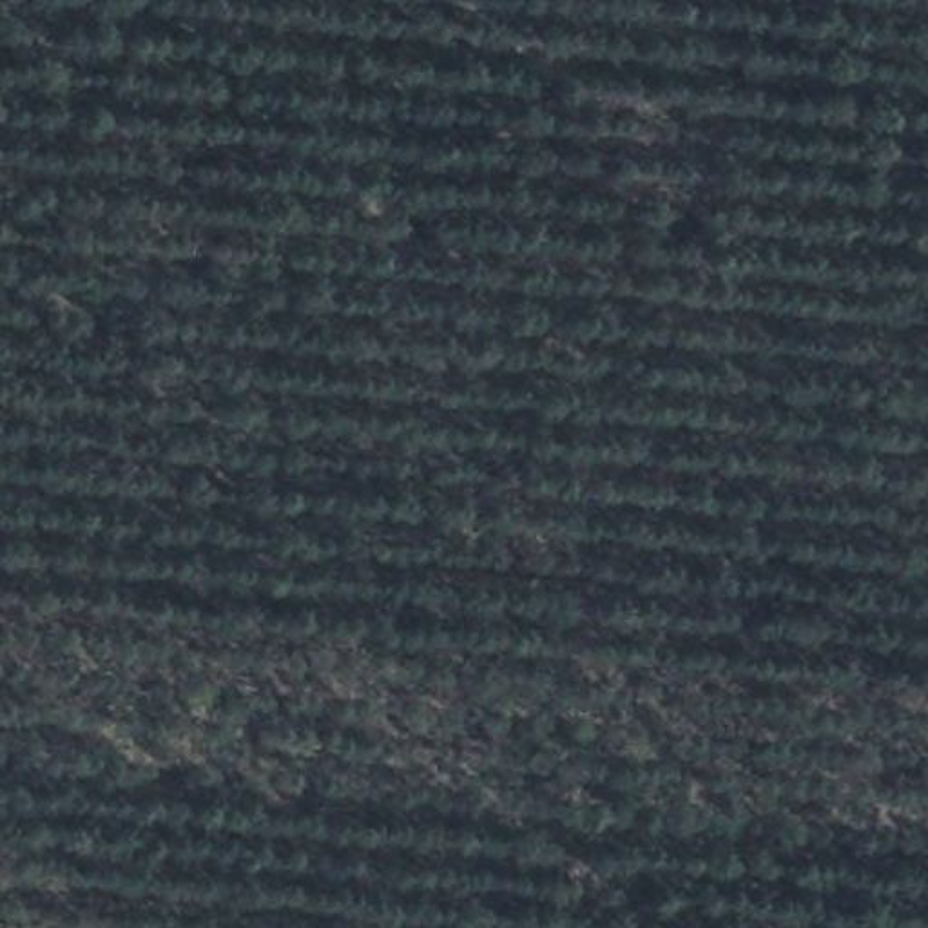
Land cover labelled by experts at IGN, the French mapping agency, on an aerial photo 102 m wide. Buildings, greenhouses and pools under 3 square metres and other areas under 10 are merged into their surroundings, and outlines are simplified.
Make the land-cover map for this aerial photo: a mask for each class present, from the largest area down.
<instances>
[{"label":"brushwood","instance_id":"1","mask_svg":"<svg viewBox=\"0 0 928 928\"><path fill-rule=\"evenodd\" d=\"M69 33H98V11H51L44 7V0H0V65L11 69L58 62L65 73L116 76L105 58L76 54L65 44ZM261 7L297 4L326 7L334 15L381 18L439 15L453 25V44H435L424 36H355L225 18H170L160 15L163 0H145L141 11L120 22V36L138 33L170 40H214L239 51L283 47L334 54L341 58V91L348 98H399L421 105L431 102L453 109L526 116L522 98L508 91L363 80L359 62L377 58L439 69L482 65L537 76L540 109L551 120H631L638 123V138L551 134L555 156H595L598 174L584 178L547 170L533 181L529 196L551 192L573 199H613L624 203V218L518 214L486 207L417 210V189H515L511 167L431 170L392 156L348 160L308 152L297 170H308L315 178L348 174L352 181H395L402 189L384 207L370 192L366 199H359L290 189L294 203L305 214L330 210L352 214L359 221L366 214H384L388 221H402L410 228L402 239L301 232L279 239V268H239L214 265L218 250L261 247V232L232 225H196L178 218L167 225V236L196 239V257L145 261L127 254L65 250V228L112 236L120 218L65 210L22 218L25 199L40 192H98L196 199L203 207L279 210L276 192L203 185L199 170H283L290 149L181 141L170 152V160L181 167L178 181L141 174H40L25 167H0V265L18 261V268L33 272L138 279L145 286L138 301H98L91 294L44 297L11 286L0 290V341L47 344L54 352V312L91 315V334L80 337L69 355H141L145 319L185 326H247L250 308L239 305L189 308L167 301L170 283H203L225 286L232 294H283V308L268 312L272 330L341 337L370 334L384 341L428 344L453 341L475 352H551L573 359H609V370L602 377H566L547 370L500 366L464 370L457 363L442 370H424L402 359H334L210 341H170V355L185 363H225L352 381L388 377L421 388H439L442 395H450L453 388L540 392L551 399L602 395L616 402L634 399L645 406H700L736 417H787L801 424L823 421L841 428L866 424L874 431L928 435V417L885 413L877 406L852 402H790L783 395L656 388L649 384L653 366L718 370L721 348H645L620 341H584L576 337L573 323L587 315H616L642 326L671 323L685 330H736L830 344H892L906 352L903 366L819 363L801 355H736V370L743 377L856 381L888 384L895 392H928V326L776 315L747 308H692L674 301L613 294L551 297L540 290H522V276H624L645 286L674 279L718 290L721 257L714 239V214L736 218L740 210H754L761 218L787 214L801 221L834 218L903 225L917 232L928 228V207L841 203L827 196L787 192H725L729 167H743L758 178L798 174L834 178L848 185L866 181V163L721 149L725 134L856 145L863 131L852 123H801L732 112L696 116L685 109H663L656 94H645L638 109L595 98L569 105L566 91L569 83L732 87L740 94L761 98L856 102L866 109H928V91L885 80L834 83L827 76H772L714 62L660 65L634 58H555L547 54V40L627 36L631 44H711L747 47L750 54L772 51L801 58H852L928 69V51L888 44L863 47L841 36L798 40L787 33L750 29L620 22L591 15H526L500 7H464L453 0H228ZM475 25L511 29L526 40V47L500 51L489 44H475ZM653 163H689L700 170V185H656L649 170ZM439 225L616 239L620 254L580 261L555 254L450 247L439 243ZM642 243H692L700 247V265H645ZM301 254H344L373 261L399 257L453 268L489 265L511 268V283L504 290H486L464 283L305 272ZM312 290H334V297L457 301L468 308H489L497 315V326L471 330L460 323H392L381 315L334 312L312 315L305 312V297ZM663 7H750L765 18L841 15L845 22L863 25L928 29V0H656ZM149 80H218L225 83V102H163L102 87L40 91L0 83V105L112 112L109 134L0 123V149L149 156L152 141L134 134L138 116L163 123L203 120L294 131L297 116L290 109H243V98L250 91L315 94L323 87V76L308 69H232L207 58H156L145 73ZM334 134L344 138H395L446 149L486 145L493 138L489 123H413L399 116H341ZM743 254H779L794 261H834L856 268H928V250L870 239L801 243L790 236H740ZM743 294H794L852 305L903 297V286L892 283L852 286L830 279L743 276ZM0 384H40L47 392H87L102 399H123L134 388V373L91 377L58 373L51 366L29 363H0ZM156 402H192L196 421H141L134 413L98 417L73 410L51 413L47 428L87 435V450L0 446V464L91 468L98 475L170 482L167 497H105L73 489L58 493L47 486L0 482V508L51 515L83 511L138 522V537L127 540L62 529H0V547L80 551L105 562H203L210 569L257 573L254 591H236L181 580H116L58 569H0V591L83 598L116 595L120 602H134L131 616L98 613L94 634L80 638V653H58L47 671L54 674L51 696L44 703L47 725H65L73 732L98 736L105 721H120L138 740L141 754H149L156 743L170 747L174 736H185V721L192 718L189 692L210 678L214 667L210 653L203 656V653H196V649H189V645H170L167 660L134 663L120 656V634H134L149 645L170 642V627L156 624L160 605H189L199 613L315 616L323 624L363 620L366 634L359 642L366 656L399 667L421 663L431 671H450L453 685L482 692V674L489 671L551 674L566 685H587L584 667L576 660L533 653L522 656L500 649H395L381 642V620H395V627L413 631H508L533 638H566L602 649L631 645L682 656L718 653L740 660L859 667L863 678L852 689H834L819 682L747 678L740 696H812L819 707L834 714L870 707V729L895 725L903 711L928 714V653H877L866 645L841 642H769L758 638V624L783 616L808 624H841L852 631L928 634V573L808 566L794 558H743L736 551L692 555L678 547H631L602 540L573 544L562 537L526 540L515 533L442 529L439 522L424 518H373L366 526L370 544L431 540L457 551H504V569H457L439 562L388 566L370 558H301L279 555L286 537L334 540L344 533V522L305 511L261 515L257 497H431L446 500L450 508L471 504L479 515H500L504 508H518L522 515L537 518L580 515L587 522L605 526L642 522L660 529H689L703 537H740V518L718 511L707 515L649 504L555 500L533 497L526 489L489 493L493 482L508 471H537L544 479H566L584 486L649 482L678 493L852 504L881 508L899 518L928 515V493L903 497L892 489L848 482L823 486L769 475L671 471L667 457L754 453L787 457L798 464H859L895 475H928V450L885 453L819 439L656 428L645 442V464H573L529 450H421L406 446L402 439L355 442L341 435L236 428L225 421V410L265 406L268 413L286 417H417L431 428L457 431H533L544 413L533 410H453L417 399L384 402L363 395H305L272 388L225 392L221 384L207 381L152 384ZM112 435L152 442L218 439L239 450L272 453V471L174 464L160 457H120L112 453ZM196 482L214 486L210 522L265 533V547H218L210 540L160 544L156 529L163 522L185 526L192 518ZM663 569H682L692 576L732 573L736 580L783 576L808 587H870L874 609H834L827 602H794L776 595L736 598L642 591V580ZM330 573L373 584L428 580L439 587H453L460 595H576L580 620L566 624L544 613L522 616L479 609H428L417 602L402 605L399 598H279V576L308 580ZM613 602L692 616L736 613L740 631L682 634L660 627H609L605 613ZM758 540L928 551V533L794 518L758 522ZM247 653L301 656L315 649L312 642L268 631H250L239 638ZM631 689V703L598 711L595 740L616 747L627 758L634 732L649 729L660 732L653 765L671 769L689 776L692 783H700L707 812L743 808L740 834H682L642 827L576 830L566 819L547 816H504L500 808L439 812L431 805L402 808L406 790L431 783L424 765L395 769L384 761H344L341 754H334L330 736L366 743L363 721H341L344 700H319L315 692H308L294 700H276L272 711L250 714L239 732L254 743L257 754L254 772L243 783L203 787L192 772L189 779L167 790L152 776L134 787H120L105 776H47L33 769L25 758L7 754L0 761V787H25L29 794L80 790L109 805L185 801L199 808L228 805L261 808L265 816L323 819V837L315 841L297 834L221 827L214 830L203 823H149L105 812L0 808V827L102 830L105 837H149L138 852L127 856H83L62 845L0 841V881L29 885L47 888L54 885L58 866L80 874H138L152 845L163 841H196L214 848L239 845L276 856L373 866L370 881L261 870L265 888L355 895L395 906L493 910V928H522V899L511 892H453L399 885L402 870H468L518 881V859L464 848L413 852L341 845V827L348 823L442 834L460 830L493 837H547L573 852L580 863L613 852H671L696 859L714 852L743 859L765 852L776 863L794 866H848L885 877H928V841L914 845L910 852L895 848L874 856L856 852L848 845H783L779 827L790 816H801L805 801L765 798L769 783L758 743H711L707 736L689 732V725L703 714H732L721 703L725 678H718L714 671L674 674L631 667L624 678ZM283 729L315 732V750L301 754L268 747L265 736ZM160 877L167 881H196L199 888H207L210 881H243V866L236 863L163 859ZM718 895H769L776 903H823L856 914L866 903V892L859 888H812L761 874L696 877L674 870H649L627 881L624 903L631 910V921L656 928H823L816 921L783 924L754 914H707V903ZM22 928H112L109 917L94 914H76L69 924H62L58 914L33 910Z\"/></svg>","mask_w":928,"mask_h":928},{"label":"coniferous trees","instance_id":"2","mask_svg":"<svg viewBox=\"0 0 928 928\"><path fill-rule=\"evenodd\" d=\"M44 7L51 11H98V33H69L65 44L76 54L105 58L116 76L65 73L58 62L11 69L0 65V83L40 91L102 87L163 102H225V83L218 80H149L145 73L156 58H207L232 69H308L323 76V87L315 94L250 91L243 98V109H290L297 116L294 131L203 120L163 123L138 116L134 134L152 141L149 156L0 149V167H25L40 174H141L178 181L181 167L170 160V152L181 141L290 149L283 170H199L203 185L276 192L279 210L203 207L196 199L98 192H40L25 199L22 218L65 210L120 218L112 236L65 228V250L127 254L145 261L196 257V239L167 236V225L178 218L196 225H232L261 232V247L218 250L214 265L239 268H279V239L301 232L402 239L410 228L402 221H388L384 214H366L359 221L352 214L330 210L305 214L294 203L290 189L359 199H366L370 192L384 207L402 189L395 181H352L348 174L315 178L308 170H297L308 152L348 160L392 156L431 170L511 167L515 189H417V210L486 207L518 214L624 218V203L613 199H573L551 192L529 196L533 181L547 170L584 178L598 174L595 156H555L551 134L638 138V123L631 120H551L540 109L537 76L482 65L439 69L377 58L359 62L363 80L508 91L522 98L526 116L453 109L431 102L421 105L399 98H348L341 91V58L334 54L283 47L239 51L214 40H170L138 33L120 36V22L141 11L145 0H44ZM341 116H399L413 123H489L493 138L486 145L446 149L395 138H344L334 134ZM160 15L170 18H225L355 36H424L435 44H453V25L439 15L381 18L334 15L326 7L297 4L261 7L228 0H163ZM464 7H500L526 15H591L620 22L750 29L787 33L798 40L841 36L863 47L888 44L928 51V29L863 25L845 22L841 15L765 18L750 7H663L656 0H453ZM475 44H489L500 51L526 47V40L511 29L475 25ZM547 54L555 58H634L660 65L714 62L772 76H827L834 83L885 80L928 91V69L852 58H801L772 51L750 54L747 47L711 44H631L627 36L547 40ZM645 94H656L663 109H685L696 116L732 112L801 123H852L863 131L856 145L725 134L721 149L866 163V181L848 185L834 178L798 174L758 178L743 167H729L725 192H787L827 196L841 203L928 207V109H866L856 102L761 98L740 94L732 87L569 83L566 91L569 105L595 98L638 109ZM0 123L109 134L112 112L0 105ZM649 170L656 185H700V170L689 163H653ZM790 236L801 243L870 239L928 250V228L917 232L903 225L834 218L801 221L787 214L761 218L754 210H740L736 218L714 214V239L721 257L718 290L674 279L645 286L624 276H522V290H540L551 297L613 294L674 301L692 308H747L776 315L928 326V268H856L834 261H794L779 254H743L740 236ZM743 276L830 279L852 286L892 283L903 286V297L852 305L794 294H743ZM439 243L450 247L555 254L580 261L620 254L616 239L439 225ZM645 265H700V247L692 243H642ZM305 272L464 283L486 290H504L511 283V268L489 265L453 268L399 257L373 261L344 254H301ZM11 286L44 297L91 294L98 301H138L145 286L138 279L33 272L18 268V261L0 265V290ZM167 301L189 308L239 305L250 308L247 326H185L145 319L141 355H69L80 337L91 334V315L54 312V352L47 344L0 341V363H29L51 366L58 373L91 377L134 373V388L123 399H102L87 392H47L40 384H0V446L87 450V435L47 428L51 413L73 410L98 417L134 413L141 421H196L192 402H156L152 384L207 381L221 384L225 392L272 388L305 395H363L384 402L417 399L453 410H533L544 413L533 431H457L431 428L417 417H286L268 413L265 406L225 410V421L236 428L341 435L355 442L402 439L406 446L421 450H529L573 464H645V442L656 428L819 439L885 453L928 450V435L874 431L866 424L841 428L823 421L801 424L787 417H736L700 406H645L634 399L616 402L602 395L551 399L540 392L453 388L450 395H442L439 388H421L388 377L352 381L225 363H185L170 355V341H210L334 359H402L424 370H442L457 363L464 370L500 366L547 370L566 377H602L609 370V359H573L551 352H475L453 341L428 344L384 341L370 334L341 337L272 330L268 312L283 308V294H232L225 286L203 283H170ZM305 312L312 315L334 312L381 315L392 323H460L471 330L497 326V315L489 308H468L457 301L334 297V290H312L305 297ZM576 337L584 341H620L645 348H721L718 370L653 366L649 384L656 388L783 395L790 402H852L877 406L885 413L928 417V392H895L888 384L856 381L743 377L736 370V355H801L819 363L903 366L906 352L892 344H830L736 330H685L671 323L642 326L616 315H587L573 323ZM112 453L120 457H160L174 464L272 471V453L239 450L218 439L152 442L112 435ZM671 471L769 475L823 486L848 482L892 489L903 497L928 493V475H895L859 464H798L787 457L754 453L667 457ZM0 482L47 486L58 493L73 489L105 497H167L170 482L98 475L91 468L0 464ZM526 489L533 497L555 500L649 504L707 515L718 511L740 518V537H703L689 529H660L642 522L605 526L587 522L580 515L537 518L522 515L518 508H504L500 515H479L471 504L450 508L446 500L431 497H257L261 515L305 511L344 522V533L334 540L286 537L279 555L301 558H370L388 566L439 562L457 569H504V551H457L431 540L370 544L366 526L373 518H424L439 522L442 529L515 533L526 540L562 537L573 544L602 540L631 547H678L692 555L736 551L743 558H794L808 566L928 573V551L758 540V522L794 518L928 533V515L899 518L881 508L852 504L678 493L649 482L584 486L566 479H544L537 471H508L493 482L489 493ZM192 518L185 526L163 522L156 529L160 544L210 540L218 547H265V533L210 522L214 486L196 482ZM0 529H62L127 540L138 537V522L83 511L51 515L0 508ZM0 569H58L116 580H181L236 591H254L257 573L210 569L203 562H105L80 551L0 547ZM642 591L736 598L776 595L794 602H827L834 609H874L870 587H808L783 576L736 580L732 573L692 576L682 569H663L642 580ZM279 598H399L402 605L417 602L428 609H479L522 616L544 613L566 624L580 620L576 595H460L453 587H439L428 580L373 584L330 573L308 580L279 576ZM36 609L44 616L76 609L98 613L131 616L134 602H120L116 595L83 598L0 591V609ZM609 627H660L682 634L740 631L736 613L692 616L613 602L605 613ZM156 624L170 627H199V631H210V653L214 667L286 671L290 678H297L305 674L301 656L247 653L239 638L250 631H268L312 642H359L366 634L363 620L323 624L315 616L199 613L189 605H160ZM758 638L769 642H841L866 645L877 653H928V634L852 631L841 624H808L783 616L758 624ZM381 642L395 649H500L522 656L533 653L576 660L584 667L587 685H566L551 674L489 671L482 674V692L497 707V718L489 725V747L479 754V769L533 776L551 772L562 779H605V765L569 754L551 736L537 700H558L576 721V740H595L598 711L631 703V689L624 678L631 667L674 674L714 671L718 678H725L721 703L732 714L769 721H808L816 729V765L837 754V732L870 729V707L834 714L819 707L812 696H740L747 678L819 682L834 689H852L863 678L859 667L740 660L718 653L682 656L631 645L602 649L566 638H533L508 631H413L395 627V620H381ZM511 718H526V736L540 743L537 758L504 750V732ZM120 656L134 663L167 660L170 645V642L149 645L134 634H120ZM319 674L330 685H359V700H344L341 721H363L381 718L377 696L384 692V682H417L435 689L453 685L450 671H431L421 663L399 667L366 656L348 663L319 656ZM54 674L47 671L0 667V725H47L44 703L51 696ZM276 700L268 692L236 696V703L214 725V743L225 747L239 732L250 714L272 711ZM413 725L442 732L464 729L460 711H439L417 700ZM268 747L301 754L315 750V732L283 729L265 736ZM660 732L649 729L634 732L627 758L620 787H660L667 783L671 769L653 765ZM334 754H341L344 761H384L395 769L424 765L431 761L428 747L395 740L366 743L330 736ZM33 769L47 776H105L120 787H134L152 776L145 758L127 761L116 754V747H109L98 758H58L36 743L25 750V758ZM765 798L805 801H841V783H769ZM431 805L439 812L500 808L504 816H547V805L540 798H515L508 790L489 787L479 798H450L446 787L431 783L406 790L402 808ZM576 830L642 827L682 834H740L743 808L707 812L700 783H692L678 808L660 805L653 812H631L624 805H569L566 819ZM0 808L105 812L149 823H203L214 830L221 827L297 834L315 841L323 837V819L265 816L261 808L228 805L199 808L185 801L109 805L80 790L29 794L25 787H0ZM859 801L877 812L895 808L906 816H921L928 808V790L859 787ZM783 845H848L856 852L874 856L895 848L892 827H881V834L870 837L866 830H848L845 823H823L819 834H808L801 816H790L779 827ZM341 845L413 852L464 848L518 859V881L468 870H402L399 885L453 892H511L522 899V928H656L631 921V910L624 903L627 881L649 870H674L696 877L761 874L812 888H859L866 892V903L856 914L823 903H776L769 895H718L707 903V914H754L783 924L816 921L823 928H928V877H885L848 866H794L776 863L765 852L743 859L714 852L696 859L671 852H613L580 863L573 852L547 837H493L460 830L442 834L348 823L341 827ZM0 841L62 845L83 856H127L138 852L149 837H105L102 830L0 827ZM163 859L236 863L243 866V881H210L207 888H199L196 881H167L160 877ZM261 870L370 881L373 866L276 856L239 845L214 848L196 841H163L152 845L138 874H80L58 866L54 885L47 888H102L120 895L149 892L163 899L225 903L239 910L297 906L370 924L424 928H493V910L395 906L355 895L265 888ZM29 885L0 881V928H22L33 910L18 903Z\"/></svg>","mask_w":928,"mask_h":928},{"label":"herbaceous vegetation","instance_id":"3","mask_svg":"<svg viewBox=\"0 0 928 928\"><path fill-rule=\"evenodd\" d=\"M98 613L76 609L44 616L36 609H0V667L47 671L58 653H80V638L94 634ZM170 645H189V649H196V653H203V656L210 653V631H199V627H170ZM315 649L301 656L305 674L297 678H290L286 671L214 667L210 678L189 692L192 718L185 721V736H174L170 747L156 743L149 754H141L138 740L120 721H105L98 736L73 732L65 725H0V761L7 754L25 758V750L36 743L58 758H98L109 747H116V754L127 761L145 758L152 776L167 790L189 779L192 772L203 787L243 783L254 772L257 754L254 743L239 732L225 747L214 743V725L236 703V696L268 692L276 700H294L308 692H315L319 700H359V685H330L319 674V656L348 663L366 656L359 642H312ZM417 700L439 711H460L464 729L442 732L413 725ZM551 736L569 754L605 765V779H562L551 772L533 776L479 769V754L489 747V725L497 718V707L482 692L453 685L435 689L417 682H384V692L377 696L381 718L363 721L366 743L395 740L428 747L431 761L424 765L431 783L446 787L450 798H479L489 787L508 790L515 798H540L547 805V816L566 819L569 805H624L631 812H653L660 805L678 808L692 783L689 776L671 769L667 783L660 787H620L627 758L616 747L595 740H576V721L558 700H537ZM689 732L707 736L711 743H758L769 783H841V801H805L801 816L808 834H819L823 823H845L848 830H866L870 837L881 834V827H892L895 848L910 852L914 845L928 841V808L921 816H906L895 808L877 812L859 801V787L928 790V714L903 711L895 725L870 729L837 732V754L816 765V729L808 721H769L732 714H703L689 725ZM526 718H511L504 732V750L537 758L540 743L526 736ZM18 903L33 910L58 914L62 924H69L76 914H94L109 917L112 928H424L370 924L297 906L239 910L225 903L163 899L149 892L120 895L102 888H47L29 885Z\"/></svg>","mask_w":928,"mask_h":928}]
</instances>
